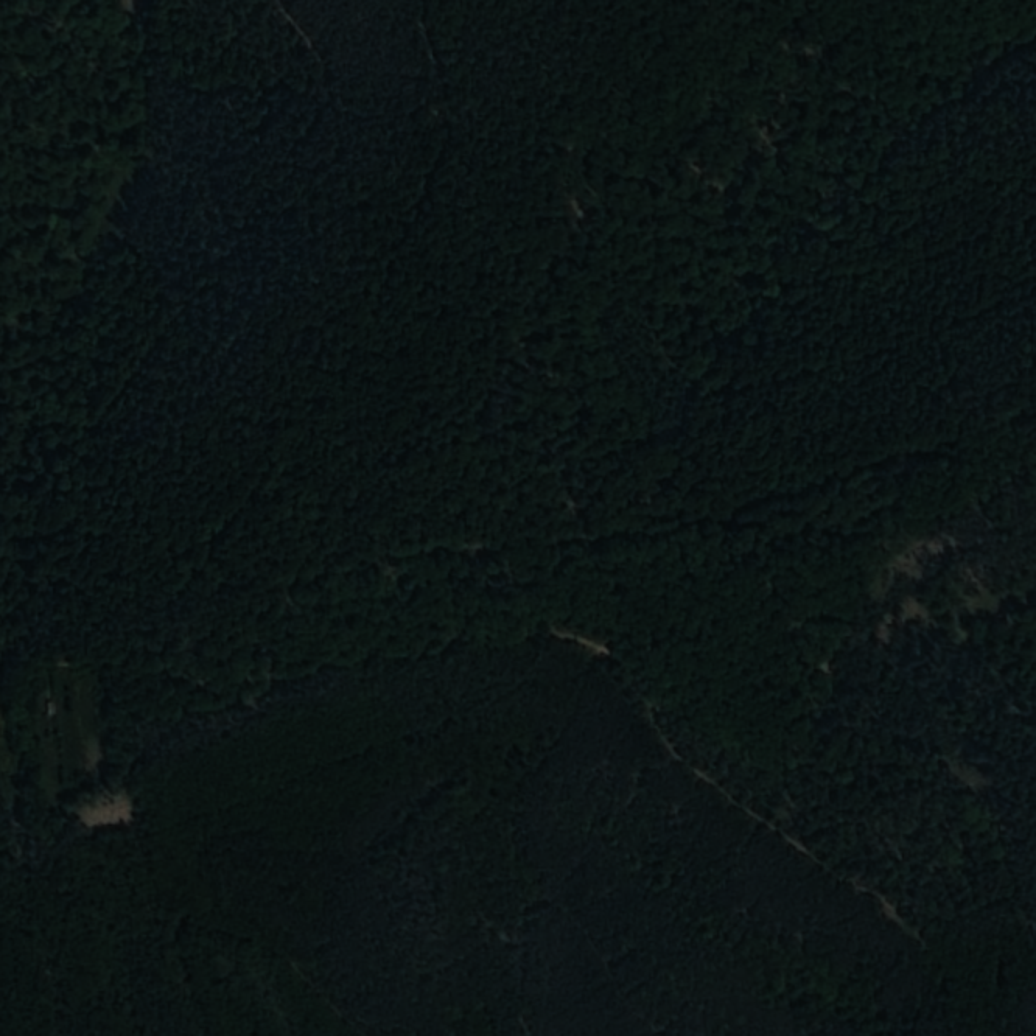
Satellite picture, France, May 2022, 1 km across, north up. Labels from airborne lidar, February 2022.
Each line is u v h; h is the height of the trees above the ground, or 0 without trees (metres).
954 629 24
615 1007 13
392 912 10
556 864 16
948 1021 21
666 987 10
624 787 12
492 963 18
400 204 28
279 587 21
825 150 33
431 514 25
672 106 28
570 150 27
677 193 34
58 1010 17
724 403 34
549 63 24
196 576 30
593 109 28
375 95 25
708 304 35
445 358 24
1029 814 26
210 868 19
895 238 31
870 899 13
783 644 30
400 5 22
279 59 28
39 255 39
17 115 33
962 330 32
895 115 33
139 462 29
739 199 36
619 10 24
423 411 23
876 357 30
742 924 11
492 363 27
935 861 28
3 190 40
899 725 20
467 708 20
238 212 28
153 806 17
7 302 37
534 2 26
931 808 30
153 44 28
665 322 33
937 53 30
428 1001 12
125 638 32
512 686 16
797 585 32
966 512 25
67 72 31
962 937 15
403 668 21
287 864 23
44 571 33
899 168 29
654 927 12
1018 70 37
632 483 37
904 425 26
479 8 27
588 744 16
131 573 30
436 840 16
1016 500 24
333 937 17
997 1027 18
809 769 27
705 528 32
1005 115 24
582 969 16
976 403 19
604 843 10
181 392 24
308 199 29
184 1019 23
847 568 31
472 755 15
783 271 36
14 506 32
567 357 37
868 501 32
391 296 27
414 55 21
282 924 18
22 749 19
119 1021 22
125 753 24
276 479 26
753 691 31
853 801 27
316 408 25
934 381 22
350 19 28
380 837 17
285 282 27
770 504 33
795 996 20
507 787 16
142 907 23
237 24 24
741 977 16
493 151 25
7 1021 17
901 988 14
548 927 18
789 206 33
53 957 21
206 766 19
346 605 32
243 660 29
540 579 30
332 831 18
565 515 29
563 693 16
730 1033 12
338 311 31
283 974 16
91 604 28
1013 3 29
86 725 0
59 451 33
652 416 23
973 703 27
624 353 27
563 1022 15
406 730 16
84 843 18
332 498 29
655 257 34
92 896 24
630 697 26
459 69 21
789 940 14
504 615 29
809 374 31
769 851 15
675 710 27
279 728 19
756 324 29
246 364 23
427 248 26
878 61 29
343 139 28
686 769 8
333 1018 12
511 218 26
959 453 32
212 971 17
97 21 38
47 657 25
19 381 29
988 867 25
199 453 33
